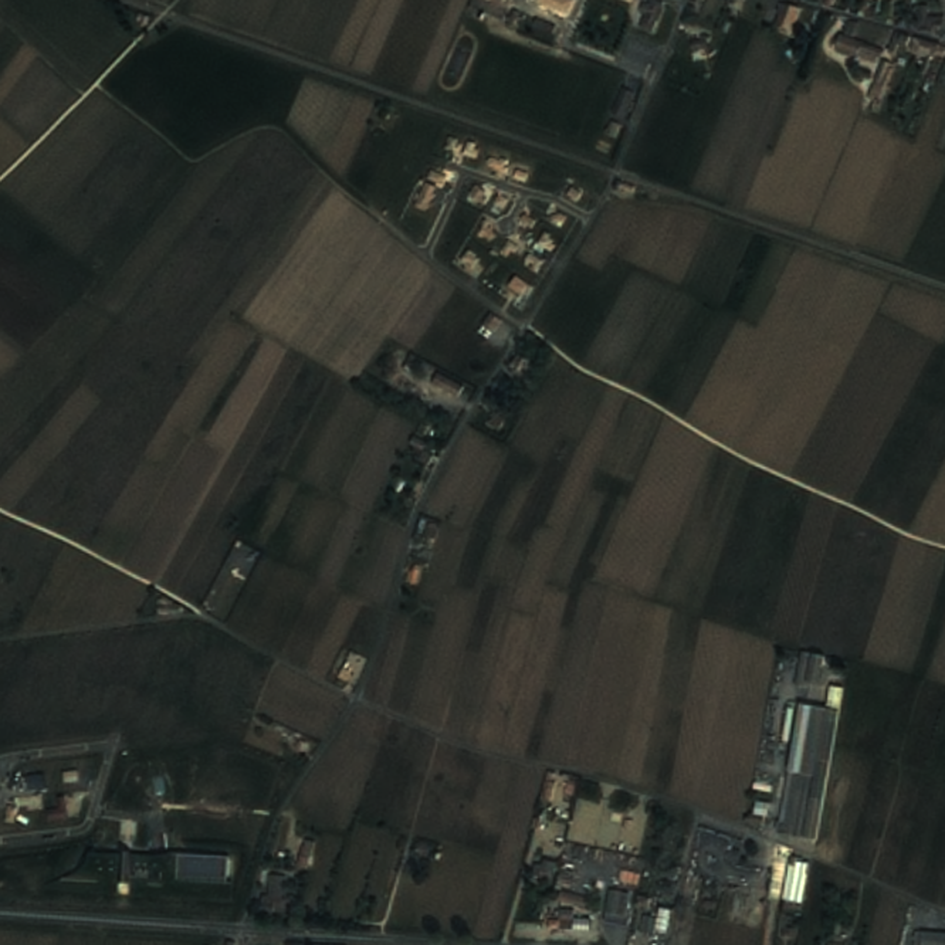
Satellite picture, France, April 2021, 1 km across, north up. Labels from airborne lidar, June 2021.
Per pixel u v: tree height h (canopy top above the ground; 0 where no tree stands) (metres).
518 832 0
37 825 0
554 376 0
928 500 0
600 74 0
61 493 0
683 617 0
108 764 0
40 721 0
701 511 0
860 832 0
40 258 0
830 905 10
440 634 0
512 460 0
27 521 0
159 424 0
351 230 0
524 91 0
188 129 0
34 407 0
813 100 0
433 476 0
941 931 0
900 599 0
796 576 0
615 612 0
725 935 0
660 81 0
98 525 0
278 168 0
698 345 0
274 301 0
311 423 0
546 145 0
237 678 0
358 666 0
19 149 0
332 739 0
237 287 0
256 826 0
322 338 0
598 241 0
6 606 0
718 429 0
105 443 0
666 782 0
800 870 0
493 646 0
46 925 0
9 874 0
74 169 0
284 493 0
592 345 0
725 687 0
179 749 0
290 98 0
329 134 0
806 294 0
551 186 0
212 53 0
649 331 0
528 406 10
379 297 0
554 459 0
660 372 0
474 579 0
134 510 0
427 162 0
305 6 0
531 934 0
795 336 0
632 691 0
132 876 0
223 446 0
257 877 0
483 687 0
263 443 0
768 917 0
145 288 0
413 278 0
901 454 0
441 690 0
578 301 0
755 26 0
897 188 0
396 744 0
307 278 0
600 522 0
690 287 0
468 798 0
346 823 0
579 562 0
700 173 0
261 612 0
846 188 0
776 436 0
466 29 0
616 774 0
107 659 0
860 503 0
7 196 0
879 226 0
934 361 0
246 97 0
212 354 0
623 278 0
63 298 0
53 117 0
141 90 0
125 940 0
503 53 0
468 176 0
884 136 0
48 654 0
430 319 0
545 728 0
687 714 0
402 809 0
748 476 0
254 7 0
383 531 0
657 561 0
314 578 0
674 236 0
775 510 0
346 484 0
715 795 0
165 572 0
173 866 0
